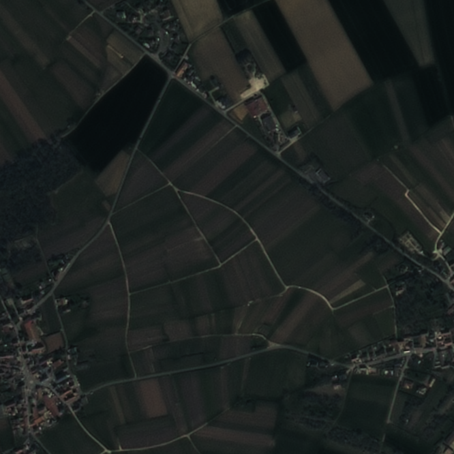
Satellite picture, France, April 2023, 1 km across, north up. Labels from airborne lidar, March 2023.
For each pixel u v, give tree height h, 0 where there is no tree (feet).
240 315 0
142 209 0
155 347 0
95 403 0
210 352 0
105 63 0
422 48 0
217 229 0
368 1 0
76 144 0
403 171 0
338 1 0
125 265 0
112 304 0
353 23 0
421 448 0
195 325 0
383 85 0
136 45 0
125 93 0
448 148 0
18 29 0
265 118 0
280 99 0
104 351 0
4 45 0
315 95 0
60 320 0
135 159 0
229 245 0
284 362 0
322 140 0
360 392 0
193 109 0
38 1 0
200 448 0
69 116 0
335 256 0
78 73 0
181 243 0
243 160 0
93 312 0
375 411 0
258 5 0
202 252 0
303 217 0
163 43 0
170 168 0
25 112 0
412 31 0
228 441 0
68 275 0
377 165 0
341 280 0
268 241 0
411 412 37
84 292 0
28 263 64
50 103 0
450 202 0
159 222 0
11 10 0
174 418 0
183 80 0
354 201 0
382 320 0
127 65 0
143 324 0
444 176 0
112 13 0
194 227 0
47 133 0
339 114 0
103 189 0
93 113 0
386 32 0
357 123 0
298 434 0
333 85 0
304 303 0
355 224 47
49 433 0
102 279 0
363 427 0
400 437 0
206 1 0
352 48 0
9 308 25
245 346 0
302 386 0
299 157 0
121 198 0
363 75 0
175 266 0
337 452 0
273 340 0
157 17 0
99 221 0
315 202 0
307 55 0
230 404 0
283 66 0
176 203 0
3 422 0
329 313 0
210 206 0
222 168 0
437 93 0
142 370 0
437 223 0
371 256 0
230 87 0
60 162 83
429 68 0
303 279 0
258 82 0
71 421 0
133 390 0
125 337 0
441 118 0
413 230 0
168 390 0
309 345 0
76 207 0
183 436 0
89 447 0
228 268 0
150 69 0
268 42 0
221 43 0
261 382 0
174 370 0
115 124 0
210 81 0
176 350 0
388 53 0
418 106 0
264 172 0
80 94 0
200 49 0
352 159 0
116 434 0
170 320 0
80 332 0
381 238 52
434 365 0
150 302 0
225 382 0
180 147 0
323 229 0
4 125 0
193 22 0
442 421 28
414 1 0
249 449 0
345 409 0
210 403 0
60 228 0
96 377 0
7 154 0
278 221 0
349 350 0
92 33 0
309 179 0
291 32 0
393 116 0
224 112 0
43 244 0
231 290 0
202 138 0
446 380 26
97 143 0
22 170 70
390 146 0
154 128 0
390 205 0
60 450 0
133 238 0
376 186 0
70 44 0
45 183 71
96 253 0
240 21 0
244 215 0
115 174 0
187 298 0
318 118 0
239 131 0
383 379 0
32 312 0
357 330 0
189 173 0
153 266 0
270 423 0
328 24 0
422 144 0
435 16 0
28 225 49
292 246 0
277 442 0
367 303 0
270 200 0
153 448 0
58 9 0
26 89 0
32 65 0
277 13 0
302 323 0
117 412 0
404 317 65
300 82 0
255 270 0
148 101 0
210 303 0
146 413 0
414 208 0
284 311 0
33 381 0
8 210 67
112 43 0
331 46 0
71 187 0
